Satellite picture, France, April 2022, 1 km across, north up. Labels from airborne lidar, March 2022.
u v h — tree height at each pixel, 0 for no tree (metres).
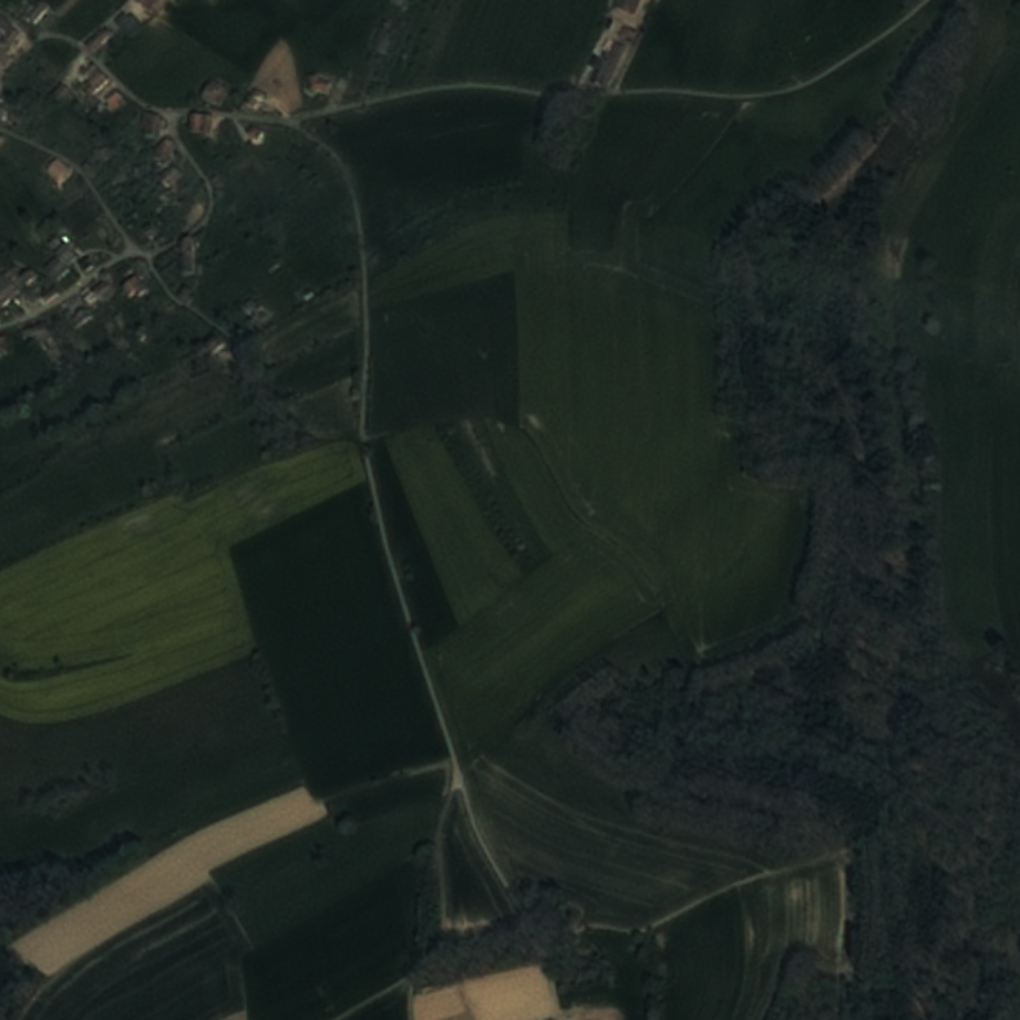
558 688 0
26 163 0
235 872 0
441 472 0
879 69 0
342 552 0
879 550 35
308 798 0
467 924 0
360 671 0
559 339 0
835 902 0
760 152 0
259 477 0
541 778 0
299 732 0
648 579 0
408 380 0
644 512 0
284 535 0
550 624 0
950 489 0
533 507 0
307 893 0
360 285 8
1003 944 0
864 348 26
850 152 30
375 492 0
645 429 0
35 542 0
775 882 0
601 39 0
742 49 0
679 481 0
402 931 0
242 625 0
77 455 0
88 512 0
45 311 0
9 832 0
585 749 28
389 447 0
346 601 0
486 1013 0
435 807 0
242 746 0
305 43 0
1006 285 0
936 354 0
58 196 7
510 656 0
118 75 0
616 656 0
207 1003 0
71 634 0
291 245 0
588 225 0
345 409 0
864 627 33
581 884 0
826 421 17
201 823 0
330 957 0
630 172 0
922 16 0
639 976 0
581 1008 0
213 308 0
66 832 0
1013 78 0
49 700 0
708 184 0
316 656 0
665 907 0
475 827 0
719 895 0
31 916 30
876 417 15
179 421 0
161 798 0
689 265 0
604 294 0
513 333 0
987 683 0
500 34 0
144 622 0
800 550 0
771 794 31
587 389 0
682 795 29
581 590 0
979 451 0
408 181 0
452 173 0
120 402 15
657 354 0
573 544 0
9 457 0
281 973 0
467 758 0
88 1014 0
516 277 0
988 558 0
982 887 29
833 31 0
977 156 0
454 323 0
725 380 18
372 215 0
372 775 0
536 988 0
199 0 0
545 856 0
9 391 0
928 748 26
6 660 0
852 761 28
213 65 0
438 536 0
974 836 30
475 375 0
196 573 0
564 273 0
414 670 0
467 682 0
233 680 0
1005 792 24
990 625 0
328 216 0
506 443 0
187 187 6
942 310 0
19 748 0
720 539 0
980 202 0
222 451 0
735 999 0
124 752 0
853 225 32
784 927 0
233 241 0
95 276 0
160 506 0
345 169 0
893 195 21
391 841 0
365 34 0
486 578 0
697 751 30
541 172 0
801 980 31
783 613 0
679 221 0
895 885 33
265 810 0
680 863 0
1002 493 0
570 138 24
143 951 0
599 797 0
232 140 10
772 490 28
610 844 0
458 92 0
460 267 0
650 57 0
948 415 0
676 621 0
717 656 0
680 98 0
